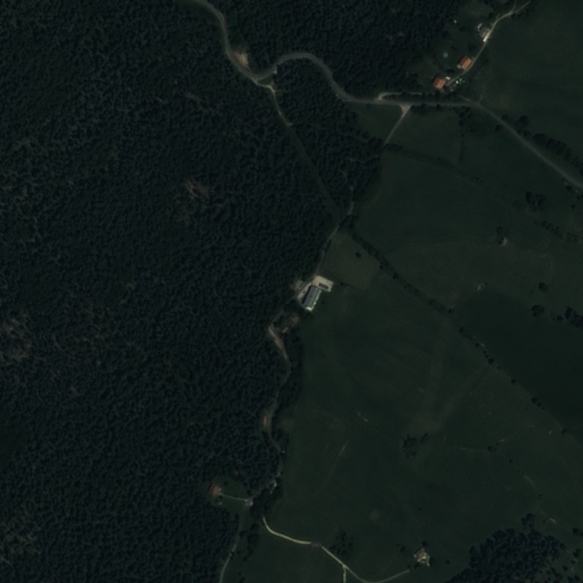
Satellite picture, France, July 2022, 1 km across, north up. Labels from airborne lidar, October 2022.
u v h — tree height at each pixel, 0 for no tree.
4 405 21
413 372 0
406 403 0
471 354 0
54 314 19
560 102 0
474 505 0
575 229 0
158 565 6
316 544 0
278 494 15
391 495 0
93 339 21
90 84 17
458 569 0
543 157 0
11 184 14
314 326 0
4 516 14
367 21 15
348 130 19
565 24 0
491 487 0
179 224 12
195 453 19
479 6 0
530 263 0
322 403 0
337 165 15
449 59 0
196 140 24
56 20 14
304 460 0
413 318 0
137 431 24
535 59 0
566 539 0
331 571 0
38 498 9
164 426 25
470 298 0
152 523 13
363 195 19
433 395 0
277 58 15
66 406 21
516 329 0
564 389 0
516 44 0
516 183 0
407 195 0
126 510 14
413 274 0
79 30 20
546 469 0
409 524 0
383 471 0
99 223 20
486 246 0
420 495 0
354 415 0
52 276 17
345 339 0
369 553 0
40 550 19
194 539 16
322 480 0
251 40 19
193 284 15
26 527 18
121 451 22
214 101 24
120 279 25
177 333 21
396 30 20
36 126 15
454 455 0
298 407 0
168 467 21
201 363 21
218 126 25
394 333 0
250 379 18
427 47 7
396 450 0
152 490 24
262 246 20
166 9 23
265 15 10
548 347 0
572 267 0
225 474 13
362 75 19
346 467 0
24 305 20
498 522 0
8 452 20
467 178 0
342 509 0
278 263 18
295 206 19
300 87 13
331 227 9
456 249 0
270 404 16
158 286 20
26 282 20
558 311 0
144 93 23
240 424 13
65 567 18
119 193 25
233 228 27
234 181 22
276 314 11
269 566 0
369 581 0
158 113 31
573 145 0
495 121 0
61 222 19
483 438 0
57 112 18
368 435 0
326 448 0
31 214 14
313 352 0
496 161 0
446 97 12
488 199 0
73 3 20
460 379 0
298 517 0
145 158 17
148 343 17
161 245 16
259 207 15
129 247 19
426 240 0
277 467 22
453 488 0
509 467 0
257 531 8
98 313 19
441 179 0
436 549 0
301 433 0
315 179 11
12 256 22
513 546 15
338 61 17
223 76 17
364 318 0
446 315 0
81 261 19
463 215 0
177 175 22
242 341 18
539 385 0
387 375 0
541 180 0
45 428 15
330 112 13
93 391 22
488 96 0
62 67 18
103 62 26
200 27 21
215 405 8
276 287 16
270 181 19
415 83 16
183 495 18
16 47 18
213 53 21
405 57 19
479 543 0
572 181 0
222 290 19
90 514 17
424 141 0
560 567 0
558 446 0
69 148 17
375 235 0
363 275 0
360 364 0
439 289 0
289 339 20
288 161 15
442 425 0
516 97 0
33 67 15
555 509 0
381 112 0
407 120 0
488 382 0
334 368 0
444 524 0
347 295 0
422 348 0
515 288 0
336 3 16
